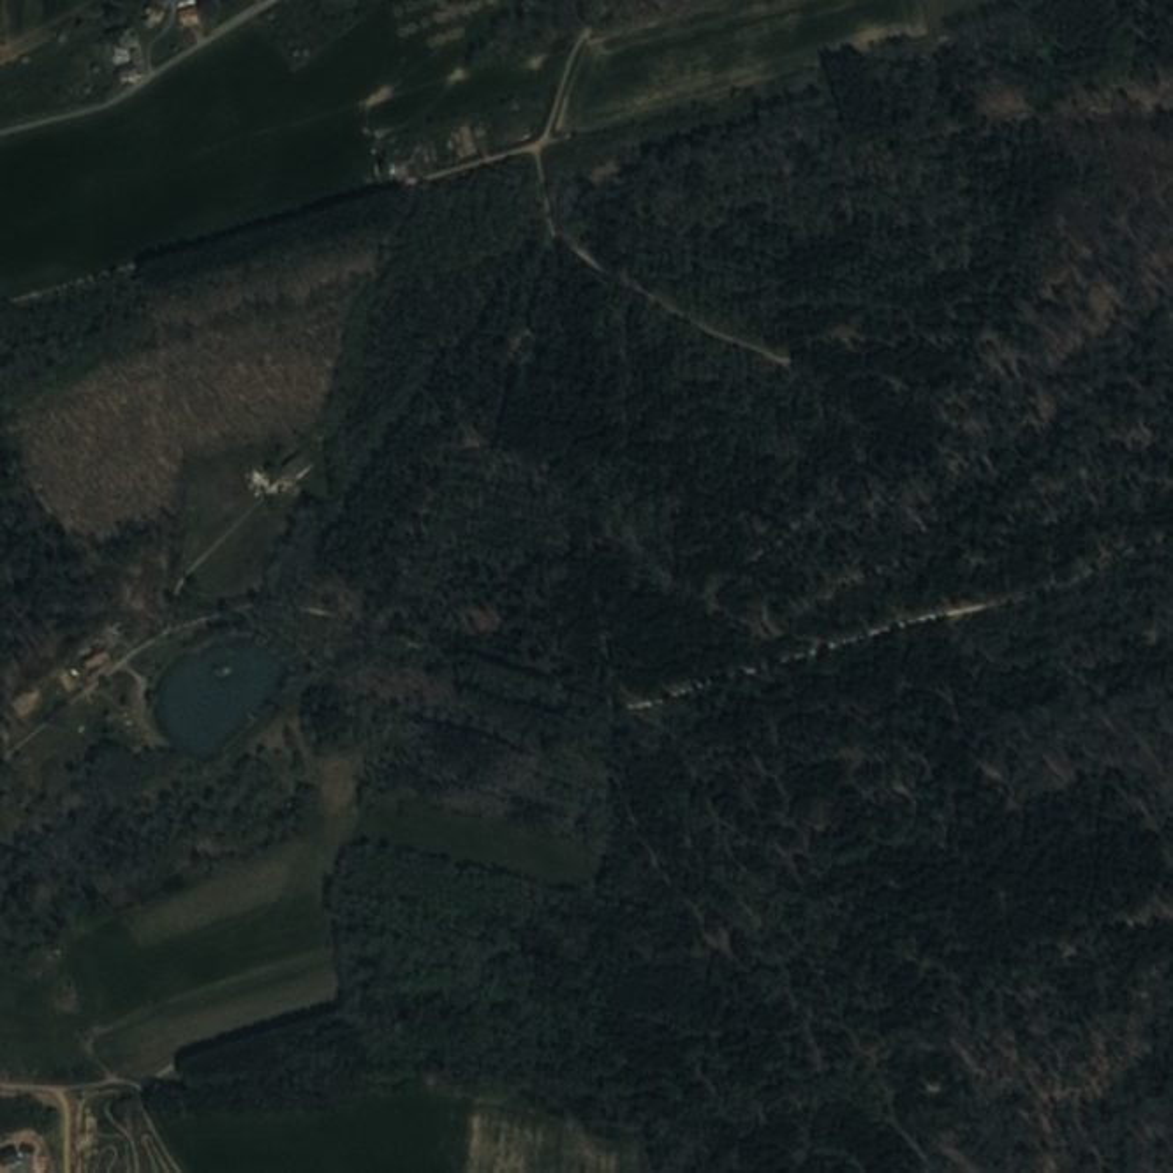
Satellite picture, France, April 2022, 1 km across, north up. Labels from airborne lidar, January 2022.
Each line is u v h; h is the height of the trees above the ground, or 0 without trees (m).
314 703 9
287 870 0
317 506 23
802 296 14
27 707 0
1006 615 15
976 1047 24
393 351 6
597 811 14
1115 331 7
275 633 12
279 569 21
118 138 0
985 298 10
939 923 12
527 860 0
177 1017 0
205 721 0
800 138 18
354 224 21
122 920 0
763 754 8
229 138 0
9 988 0
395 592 21
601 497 11
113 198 0
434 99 0
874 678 11
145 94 0
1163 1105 24
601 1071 18
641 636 15
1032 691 16
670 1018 23
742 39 0
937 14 0
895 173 15
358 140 0
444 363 12
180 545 14
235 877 0
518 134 0
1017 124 9
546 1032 19
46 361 29
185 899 0
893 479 33
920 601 11
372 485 25
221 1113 16
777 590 8
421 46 0
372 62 0
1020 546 8
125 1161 0
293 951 0
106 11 7
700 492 11
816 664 9
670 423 12
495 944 15
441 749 24
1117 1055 12
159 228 0
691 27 0
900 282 14
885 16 0
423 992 19
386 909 17
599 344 13
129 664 0
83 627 20
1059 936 11
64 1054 0
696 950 19
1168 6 21
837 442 10
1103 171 9
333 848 0
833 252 13
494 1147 0
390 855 15
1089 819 9
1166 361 27
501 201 17
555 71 0
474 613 23
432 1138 0
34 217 0
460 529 8
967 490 9
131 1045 0
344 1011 16
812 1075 16
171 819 15
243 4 0
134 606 0
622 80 0
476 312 8
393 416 10
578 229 16
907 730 26
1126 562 17
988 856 14
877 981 10
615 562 12
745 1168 20
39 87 0
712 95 0
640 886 14
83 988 0
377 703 9
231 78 0
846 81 23
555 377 21
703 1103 9
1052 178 11
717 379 14
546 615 12
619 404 19
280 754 8
